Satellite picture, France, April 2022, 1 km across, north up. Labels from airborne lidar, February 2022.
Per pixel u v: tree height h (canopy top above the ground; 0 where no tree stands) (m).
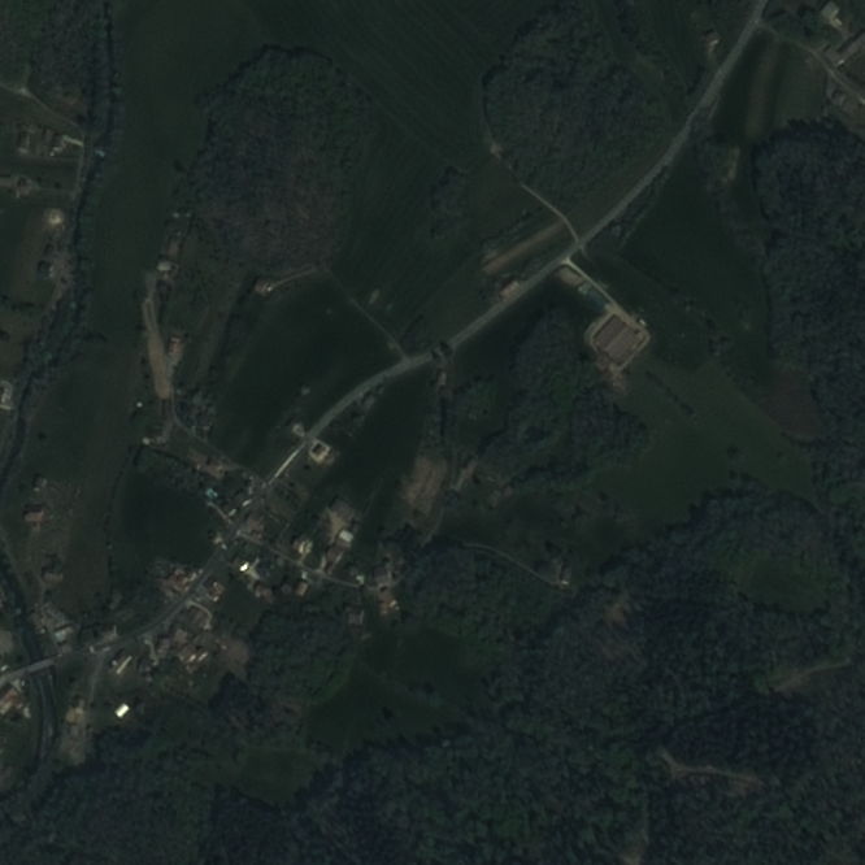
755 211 0
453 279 0
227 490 13
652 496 0
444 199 16
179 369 7
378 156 0
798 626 22
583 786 31
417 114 0
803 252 27
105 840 27
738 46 0
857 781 30
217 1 0
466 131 0
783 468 0
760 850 26
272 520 0
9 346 0
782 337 26
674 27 0
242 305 9
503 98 18
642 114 19
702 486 0
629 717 8
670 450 0
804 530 28
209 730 10
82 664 0
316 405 0
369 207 0
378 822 28
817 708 7
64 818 20
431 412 10
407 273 0
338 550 0
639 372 0
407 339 6
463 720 0
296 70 26
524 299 0
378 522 0
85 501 0
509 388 0
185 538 0
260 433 0
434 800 12
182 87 0
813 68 0
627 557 16
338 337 0
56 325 8
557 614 6
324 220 11
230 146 11
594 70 26
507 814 21
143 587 11
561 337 19
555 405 19
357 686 0
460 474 0
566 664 19
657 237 0
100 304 0
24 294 0
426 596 23
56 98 21
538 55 14
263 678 23
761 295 0
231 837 25
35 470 0
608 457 16
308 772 0
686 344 0
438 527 0
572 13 15
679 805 26
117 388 0
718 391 0
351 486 0
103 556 0
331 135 22
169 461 13
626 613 0
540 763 24
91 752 0
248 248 7
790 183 18
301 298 0
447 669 0
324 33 0
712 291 0
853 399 20
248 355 0
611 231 14
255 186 13
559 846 23
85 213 20
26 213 0
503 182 0
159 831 23
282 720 19
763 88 0
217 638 13
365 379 0
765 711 21
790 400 0
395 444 0
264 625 12
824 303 18
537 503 0
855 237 20
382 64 0
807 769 25
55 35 22
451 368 0
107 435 0
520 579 11
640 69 0
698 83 9
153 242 0
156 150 0
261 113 21
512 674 22
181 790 20
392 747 0
